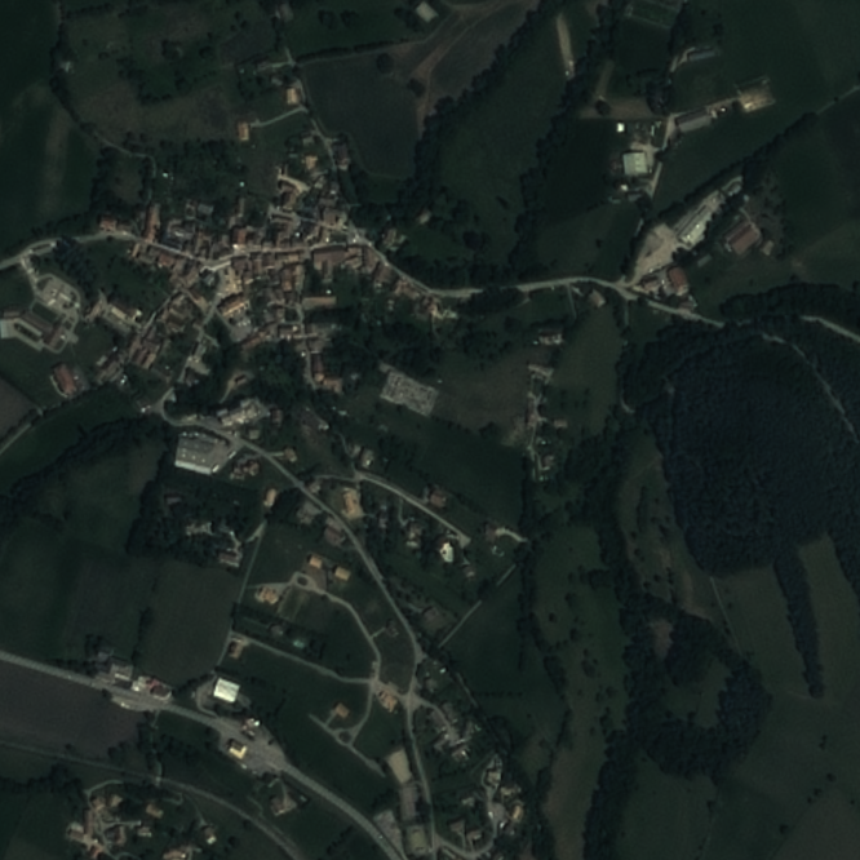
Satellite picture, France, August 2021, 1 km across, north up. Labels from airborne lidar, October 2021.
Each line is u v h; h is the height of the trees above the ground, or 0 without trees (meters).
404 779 0
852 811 0
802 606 19
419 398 0
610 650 0
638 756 17
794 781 0
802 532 21
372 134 0
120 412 0
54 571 0
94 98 0
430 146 20
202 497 9
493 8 0
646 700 24
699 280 0
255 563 0
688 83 0
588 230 0
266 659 0
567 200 0
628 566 12
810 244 0
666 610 24
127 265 11
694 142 0
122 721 0
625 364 11
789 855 0
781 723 0
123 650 0
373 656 0
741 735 24
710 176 0
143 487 0
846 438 12
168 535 13
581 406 7
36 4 0
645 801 0
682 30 17
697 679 14
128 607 0
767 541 17
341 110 0
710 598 0
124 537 0
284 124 0
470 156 0
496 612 0
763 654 0
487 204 0
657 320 0
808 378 9
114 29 0
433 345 7
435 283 17
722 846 0
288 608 0
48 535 0
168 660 0
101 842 0
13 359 0
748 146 0
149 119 0
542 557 14
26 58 0
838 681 0
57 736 0
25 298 0
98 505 0
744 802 0
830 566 0
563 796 0
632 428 22
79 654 0
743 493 26
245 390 0
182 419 0
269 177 0
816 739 0
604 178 8
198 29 0
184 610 0
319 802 0
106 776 0
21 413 0
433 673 0
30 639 0
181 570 0
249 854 0
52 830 0
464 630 0
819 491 19
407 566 0
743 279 0
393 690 0
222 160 7
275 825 0
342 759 0
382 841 0
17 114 0
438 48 0
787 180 0
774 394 23
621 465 20
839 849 0
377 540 16
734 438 24
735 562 20
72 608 0
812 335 17
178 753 15
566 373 0
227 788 0
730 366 16
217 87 0
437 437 0
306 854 0
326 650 8
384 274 0
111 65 0
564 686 11
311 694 0
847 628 0
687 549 0
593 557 0
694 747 18
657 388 19
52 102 0
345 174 8
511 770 10
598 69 19
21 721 0
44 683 0
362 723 0
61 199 0
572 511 17
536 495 14
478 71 0
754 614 0
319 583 0
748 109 0
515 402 0
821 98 0
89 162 0
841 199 0
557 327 11
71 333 0
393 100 0
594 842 20
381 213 16
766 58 0
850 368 18
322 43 0
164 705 0
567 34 0
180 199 5
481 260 9
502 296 20
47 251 0
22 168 0
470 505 10
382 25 0
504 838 7
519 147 0
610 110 11
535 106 0
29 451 0
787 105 0
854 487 14
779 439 19
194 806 0
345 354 14
